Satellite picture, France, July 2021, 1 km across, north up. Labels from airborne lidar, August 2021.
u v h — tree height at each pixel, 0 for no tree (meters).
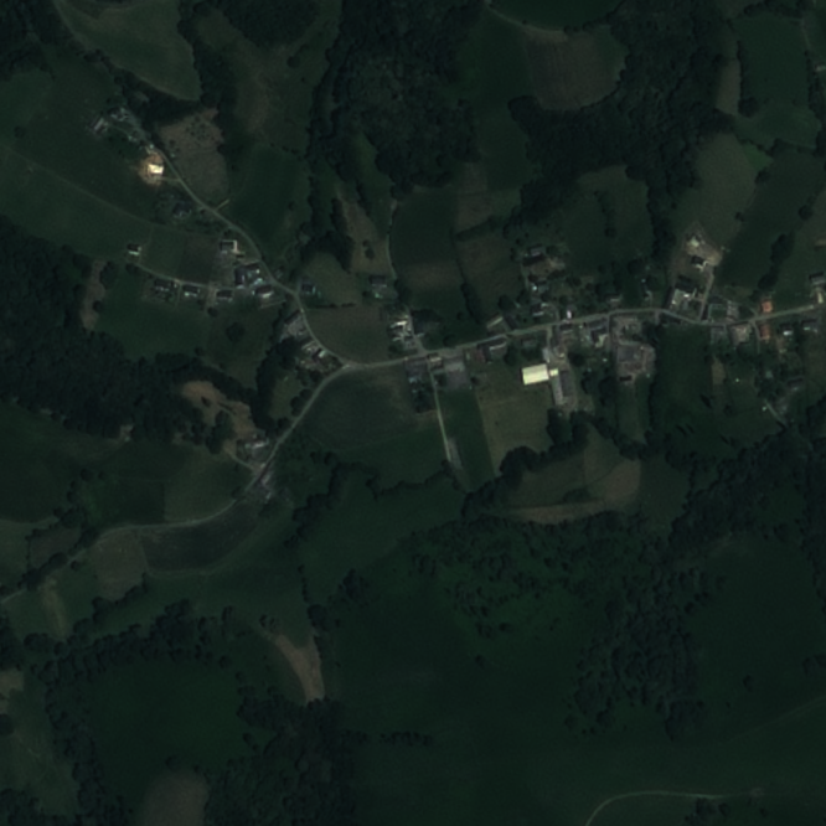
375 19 23
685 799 0
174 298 8
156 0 0
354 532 0
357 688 0
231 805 12
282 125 0
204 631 11
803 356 6
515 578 9
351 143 17
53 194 0
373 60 18
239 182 0
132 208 0
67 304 15
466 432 0
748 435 0
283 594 0
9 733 14
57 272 16
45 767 0
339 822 30
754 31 0
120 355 19
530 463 18
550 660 0
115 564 0
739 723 0
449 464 13
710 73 20
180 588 0
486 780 0
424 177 17
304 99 0
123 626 0
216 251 0
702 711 17
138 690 0
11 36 16
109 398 23
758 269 0
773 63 0
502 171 0
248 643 0
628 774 0
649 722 0
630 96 21
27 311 28
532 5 0
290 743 16
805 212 14
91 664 21
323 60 0
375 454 0
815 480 16
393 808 0
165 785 0
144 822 0
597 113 17
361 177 11
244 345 0
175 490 0
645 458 18
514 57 0
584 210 0
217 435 17
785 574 0
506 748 0
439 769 0
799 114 0
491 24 0
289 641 0
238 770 13
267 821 13
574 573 13
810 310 0
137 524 0
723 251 0
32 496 0
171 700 0
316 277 0
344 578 0
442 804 0
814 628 0
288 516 0
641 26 21
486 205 0
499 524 18
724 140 0
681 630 17
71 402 23
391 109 26
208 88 18
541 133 16
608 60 0
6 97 0
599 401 0
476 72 0
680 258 0
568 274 6
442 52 26
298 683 0
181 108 16
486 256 0
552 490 0
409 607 0
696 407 0
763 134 0
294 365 9
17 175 0
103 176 0
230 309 0
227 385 20
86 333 17
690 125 23
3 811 17
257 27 24
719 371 0
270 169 0
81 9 0
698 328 0
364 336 0
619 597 6
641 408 0
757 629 0
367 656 0
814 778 0
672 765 0
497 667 0
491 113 0
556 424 18
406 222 0
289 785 26
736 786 0
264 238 0
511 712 0
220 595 0
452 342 18
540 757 0
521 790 0
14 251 11
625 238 0
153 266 0
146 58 0
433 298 0
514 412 0
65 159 0
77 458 0
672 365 0
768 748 0
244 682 14
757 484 19
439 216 0
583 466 0
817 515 20
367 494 0
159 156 0
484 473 0
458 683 0
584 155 10
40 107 0
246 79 0
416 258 0
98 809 8
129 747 0
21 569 0
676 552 15
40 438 0
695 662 14
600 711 8
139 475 0
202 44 18
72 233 0
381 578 0
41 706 0
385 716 0
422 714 0
